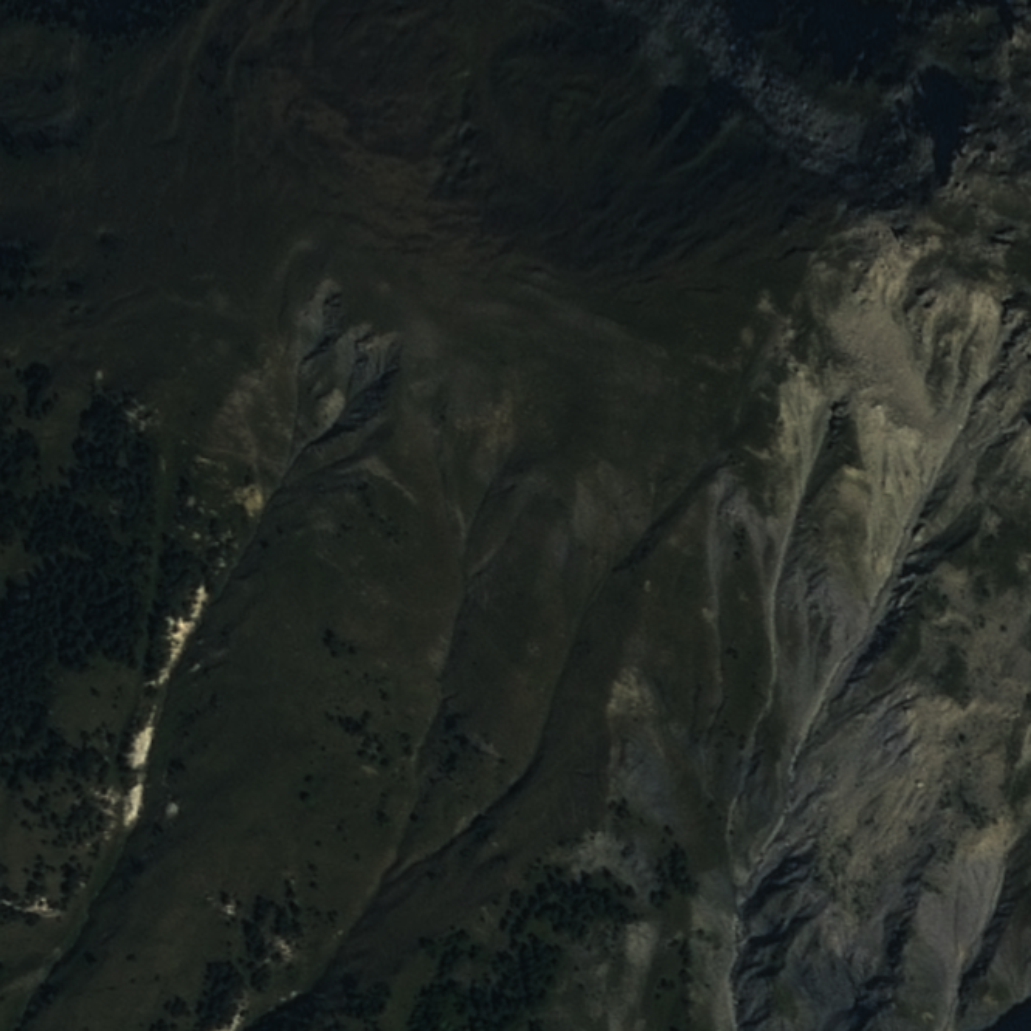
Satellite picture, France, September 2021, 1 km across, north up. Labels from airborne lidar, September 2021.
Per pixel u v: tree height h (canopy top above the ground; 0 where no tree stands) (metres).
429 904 0
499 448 0
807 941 0
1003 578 0
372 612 0
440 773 7
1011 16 0
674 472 0
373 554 0
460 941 12
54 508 12
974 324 0
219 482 0
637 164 0
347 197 0
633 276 0
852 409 0
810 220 0
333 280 0
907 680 0
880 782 0
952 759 0
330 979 0
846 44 0
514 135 0
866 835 0
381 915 0
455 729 6
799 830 0
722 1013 0
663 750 0
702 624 0
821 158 0
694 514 0
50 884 0
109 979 0
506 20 0
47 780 12
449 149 0
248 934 24
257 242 0
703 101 0
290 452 0
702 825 0
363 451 0
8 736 24
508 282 0
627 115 0
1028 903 0
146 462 9
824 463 0
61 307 0
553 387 0
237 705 0
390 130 0
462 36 0
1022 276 0
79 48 0
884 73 0
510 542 0
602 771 0
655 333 0
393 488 0
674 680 0
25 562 0
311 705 0
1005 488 0
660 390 0
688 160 0
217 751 0
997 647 0
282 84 0
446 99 0
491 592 0
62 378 0
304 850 0
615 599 0
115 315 0
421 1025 10
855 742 0
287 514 0
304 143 0
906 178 0
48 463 0
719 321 0
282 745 0
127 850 0
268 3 0
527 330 0
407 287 0
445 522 0
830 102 0
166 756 0
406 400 0
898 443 0
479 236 0
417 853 0
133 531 7
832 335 0
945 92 0
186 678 0
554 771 0
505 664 0
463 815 0
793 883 0
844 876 0
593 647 0
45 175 0
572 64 0
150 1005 0
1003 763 0
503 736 0
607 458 0
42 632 19
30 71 0
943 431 0
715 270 0
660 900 10
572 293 0
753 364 0
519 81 0
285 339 0
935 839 0
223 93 0
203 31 0
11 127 0
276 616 0
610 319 0
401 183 0
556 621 0
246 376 0
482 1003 14
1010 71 0
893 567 0
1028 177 0
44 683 17
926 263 0
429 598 0
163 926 0
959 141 0
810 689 0
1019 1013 0
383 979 0
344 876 0
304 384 0
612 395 0
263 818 0
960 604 0
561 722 0
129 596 12
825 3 0
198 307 0
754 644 0
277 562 0
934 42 0
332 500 0
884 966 0
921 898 0
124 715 0
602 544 0
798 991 0
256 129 0
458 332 0
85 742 7
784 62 0
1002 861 0
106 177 0
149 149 0
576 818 0
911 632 0
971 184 0
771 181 0
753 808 0
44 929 0
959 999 0
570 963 0
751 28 0
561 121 0
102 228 0
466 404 0
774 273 0
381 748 6
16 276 12
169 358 0
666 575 0
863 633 0
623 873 0
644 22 0
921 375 0
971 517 0
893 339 0
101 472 12
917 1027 0
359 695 0
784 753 0
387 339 0
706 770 0
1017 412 0
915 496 0
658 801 0
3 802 0
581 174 0
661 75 0
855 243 0
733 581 0
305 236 0
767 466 0
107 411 10
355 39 0
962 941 0
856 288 0
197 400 0
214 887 0
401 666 0
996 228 0
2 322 0
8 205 0
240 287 0
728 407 0
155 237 0
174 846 0
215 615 0
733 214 0
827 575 0
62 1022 0
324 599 0
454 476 0
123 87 0
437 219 0
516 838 0
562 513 0
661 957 0
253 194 0
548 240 0
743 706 0
